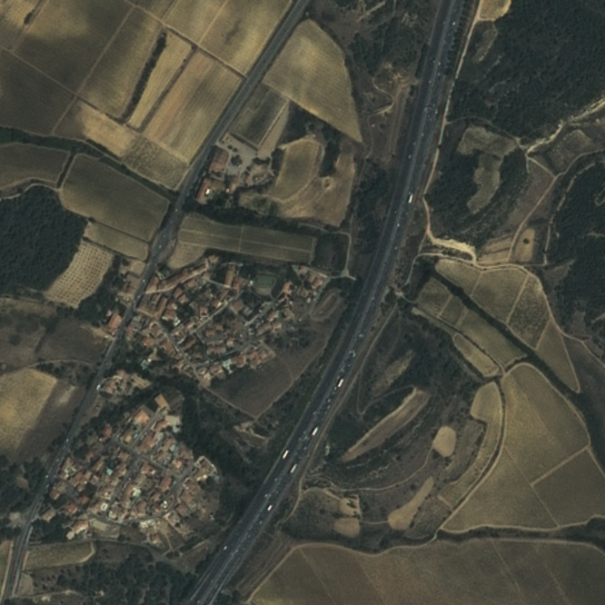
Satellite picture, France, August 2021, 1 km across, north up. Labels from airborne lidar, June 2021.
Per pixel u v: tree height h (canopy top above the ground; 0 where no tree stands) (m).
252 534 0
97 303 10
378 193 9
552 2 7
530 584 0
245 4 0
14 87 0
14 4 0
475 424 0
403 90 0
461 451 0
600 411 0
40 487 10
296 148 0
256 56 0
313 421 0
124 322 0
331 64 0
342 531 0
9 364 0
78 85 0
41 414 0
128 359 8
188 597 12
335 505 0
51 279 11
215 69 0
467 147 0
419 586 0
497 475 0
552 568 0
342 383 0
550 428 0
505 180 6
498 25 8
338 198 0
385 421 0
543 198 0
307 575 0
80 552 0
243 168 0
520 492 0
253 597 0
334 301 0
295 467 0
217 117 0
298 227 14
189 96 0
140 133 0
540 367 8
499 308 0
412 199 0
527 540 0
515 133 7
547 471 0
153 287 0
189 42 0
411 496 0
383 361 0
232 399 0
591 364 0
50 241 10
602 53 9
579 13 9
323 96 0
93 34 0
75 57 0
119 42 0
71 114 0
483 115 9
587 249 9
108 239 0
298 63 0
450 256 9
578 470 0
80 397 0
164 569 18
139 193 0
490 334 0
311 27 0
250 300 14
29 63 0
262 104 0
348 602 0
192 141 0
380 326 0
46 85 0
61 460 0
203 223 0
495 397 0
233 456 13
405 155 0
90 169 0
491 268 0
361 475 0
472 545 0
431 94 0
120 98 0
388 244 0
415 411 0
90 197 0
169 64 0
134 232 0
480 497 0
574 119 0
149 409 0
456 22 0
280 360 0
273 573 0
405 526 0
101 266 0
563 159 0
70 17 0
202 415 6
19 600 0
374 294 0
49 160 0
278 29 0
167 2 0
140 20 0
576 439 0
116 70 0
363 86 0
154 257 0
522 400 0
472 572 0
